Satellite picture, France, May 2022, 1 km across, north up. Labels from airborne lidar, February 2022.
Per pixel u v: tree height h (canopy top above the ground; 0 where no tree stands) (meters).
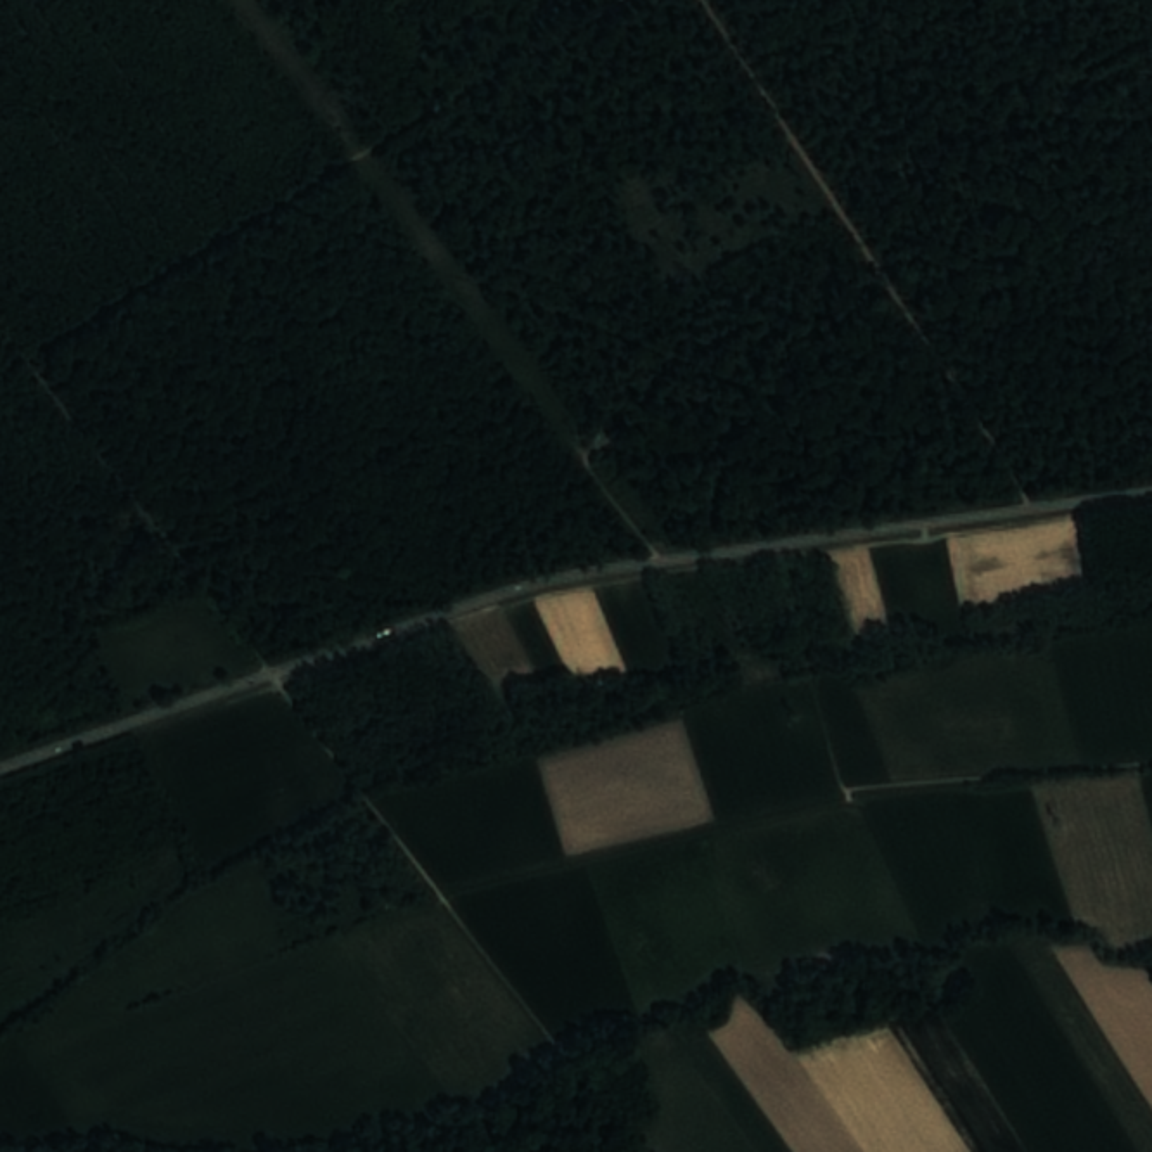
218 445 28
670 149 27
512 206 23
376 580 32
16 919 9
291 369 28
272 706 0
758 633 21
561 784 0
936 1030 0
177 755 0
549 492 26
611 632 0
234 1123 0
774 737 0
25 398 24
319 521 31
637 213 0
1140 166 26
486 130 29
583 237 22
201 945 0
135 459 29
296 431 29
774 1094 0
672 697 20
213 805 0
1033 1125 0
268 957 0
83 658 23
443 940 0
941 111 26
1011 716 0
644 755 0
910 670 19
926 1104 0
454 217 25
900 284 31
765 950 0
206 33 14
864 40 28
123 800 9
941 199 28
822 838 0
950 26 15
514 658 0
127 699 0
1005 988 0
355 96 24
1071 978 0
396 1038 0
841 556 0
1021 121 19
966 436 27
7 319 15
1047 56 30
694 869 0
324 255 29
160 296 27
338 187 27
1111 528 0
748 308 31
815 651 35
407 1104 0
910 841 0
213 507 27
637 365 29
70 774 9
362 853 23
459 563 28
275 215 26
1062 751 0
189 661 0
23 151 14
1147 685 0
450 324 27
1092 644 0
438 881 0
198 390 32
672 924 0
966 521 0
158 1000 11
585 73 24
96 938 0
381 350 28
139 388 29
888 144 26
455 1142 28
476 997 0
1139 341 27
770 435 34
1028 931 13
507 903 0
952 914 0
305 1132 0
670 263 0
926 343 29
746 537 22
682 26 28
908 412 35
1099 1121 0
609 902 0
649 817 0
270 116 14
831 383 33
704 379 29
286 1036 0
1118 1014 0
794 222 0
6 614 27
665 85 26
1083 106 31
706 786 0
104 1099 0
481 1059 0
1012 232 32
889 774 0
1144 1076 0
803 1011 19
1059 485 25
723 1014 10
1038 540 0
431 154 27
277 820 0
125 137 12
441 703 23
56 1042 0
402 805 0
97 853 9
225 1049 0
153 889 0
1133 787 0
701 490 28
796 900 0
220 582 27
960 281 31
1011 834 0
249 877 0
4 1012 0
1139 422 29
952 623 0
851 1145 0
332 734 13
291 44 0
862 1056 0
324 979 0
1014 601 14
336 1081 0
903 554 0
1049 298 21
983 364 26
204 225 17
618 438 27
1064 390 30
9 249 15
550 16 26
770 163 24
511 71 25
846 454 33
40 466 21
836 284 29
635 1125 22
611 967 0
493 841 0
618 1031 31
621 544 20
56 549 28
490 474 28
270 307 26
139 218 16
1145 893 0
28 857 7
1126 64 16
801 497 21
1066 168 28
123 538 27
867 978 27
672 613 20
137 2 14
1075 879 0
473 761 10
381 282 29
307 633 19
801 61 24
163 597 23
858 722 0
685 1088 0
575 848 0
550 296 28
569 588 0
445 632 18
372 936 0
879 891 0
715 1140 0
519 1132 33
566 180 30
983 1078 0
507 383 26
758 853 0
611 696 8
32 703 23
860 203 28
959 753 0
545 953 0
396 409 28
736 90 27
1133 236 24
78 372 26
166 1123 0
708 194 27
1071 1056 0
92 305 15
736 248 0
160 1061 0
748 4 29
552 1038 0
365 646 0
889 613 0
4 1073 0
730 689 14
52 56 17
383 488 30
